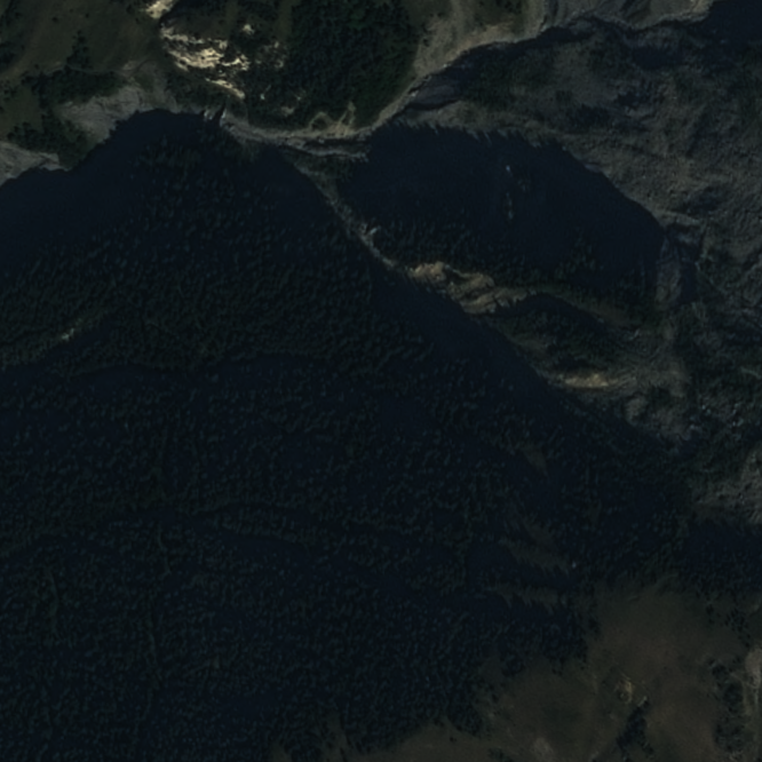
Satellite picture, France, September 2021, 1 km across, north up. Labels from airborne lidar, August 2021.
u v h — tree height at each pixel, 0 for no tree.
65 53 0
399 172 0
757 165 0
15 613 10
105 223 22
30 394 28
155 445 14
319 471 11
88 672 27
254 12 9
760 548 6
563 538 12
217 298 27
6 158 0
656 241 0
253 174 9
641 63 0
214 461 11
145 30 0
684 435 0
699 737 0
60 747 25
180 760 21
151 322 31
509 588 17
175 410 16
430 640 9
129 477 17
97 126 0
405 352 19
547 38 0
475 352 6
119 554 25
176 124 0
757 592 0
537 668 0
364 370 21
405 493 22
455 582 20
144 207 26
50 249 26
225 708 17
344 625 13
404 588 6
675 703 0
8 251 15
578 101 0
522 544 8
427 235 24
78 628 14
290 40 9
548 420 19
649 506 14
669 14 0
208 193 26
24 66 0
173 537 24
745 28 0
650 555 9
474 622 16
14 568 23
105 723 26
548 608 0
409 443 9
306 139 0
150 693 11
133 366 12
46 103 21
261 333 27
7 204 0
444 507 29
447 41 0
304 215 13
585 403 0
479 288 0
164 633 13
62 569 10
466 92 7
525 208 0
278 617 15
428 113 0
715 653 0
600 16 0
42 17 0
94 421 14
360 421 26
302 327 32
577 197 0
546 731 0
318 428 25
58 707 30
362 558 25
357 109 10
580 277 7
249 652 12
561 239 8
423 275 0
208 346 14
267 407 25
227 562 15
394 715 12
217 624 15
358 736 22
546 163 0
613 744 0
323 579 11
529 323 8
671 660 0
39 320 23
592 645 0
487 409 7
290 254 20
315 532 29
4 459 22
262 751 22
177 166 25
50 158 9
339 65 11
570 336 9
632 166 0
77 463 16
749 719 0
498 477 9
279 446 12
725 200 0
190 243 10
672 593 0
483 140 0
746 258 0
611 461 9
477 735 12
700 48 0
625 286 8
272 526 21
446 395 24
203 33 0
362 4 11
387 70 7
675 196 0
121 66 0
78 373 27
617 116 0
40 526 22
